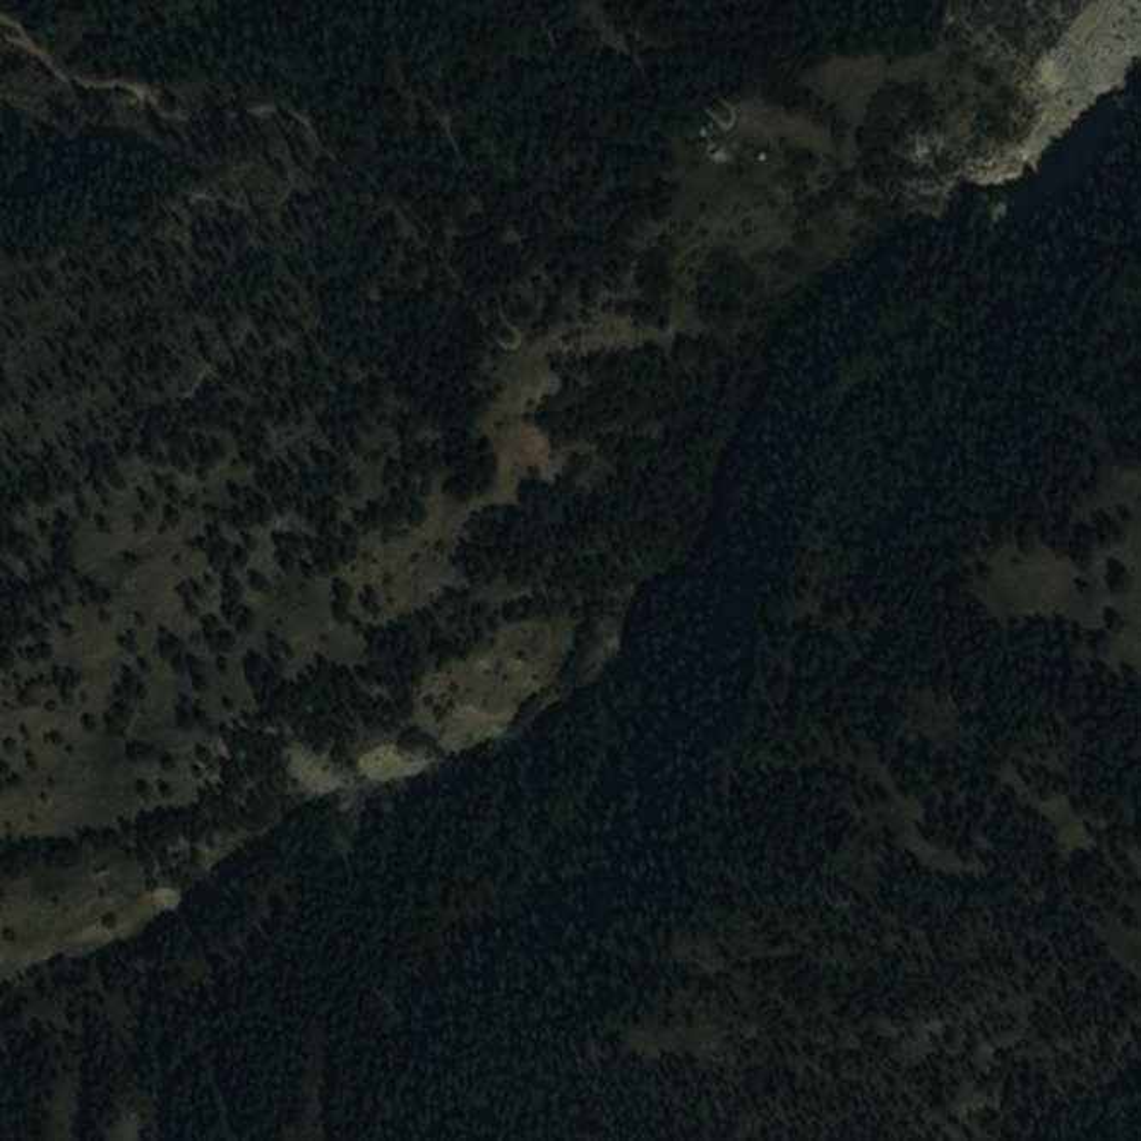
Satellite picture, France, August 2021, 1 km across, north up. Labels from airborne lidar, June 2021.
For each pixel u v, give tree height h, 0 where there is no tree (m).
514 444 0
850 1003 11
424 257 7
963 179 7
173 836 21
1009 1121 6
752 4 18
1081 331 12
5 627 22
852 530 9
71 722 0
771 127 0
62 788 0
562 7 31
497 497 0
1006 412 8
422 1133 24
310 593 0
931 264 29
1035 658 23
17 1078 22
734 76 12
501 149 15
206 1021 13
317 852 15
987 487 22
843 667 28
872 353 22
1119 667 0
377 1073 24
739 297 8
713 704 5
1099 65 0
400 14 8
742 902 20
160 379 23
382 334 14
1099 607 0
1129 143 11
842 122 7
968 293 8
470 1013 21
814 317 10
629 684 17
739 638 19
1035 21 7
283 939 20
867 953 23
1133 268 20
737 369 28
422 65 27
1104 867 21
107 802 0
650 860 30
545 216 7
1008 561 0
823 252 0
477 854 14
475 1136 25
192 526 0
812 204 15
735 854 27
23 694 10
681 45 7
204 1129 27
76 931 0
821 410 6
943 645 29
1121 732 22
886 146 6
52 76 31
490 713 0
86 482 7
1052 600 0
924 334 10
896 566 29
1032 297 7
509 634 0
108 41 8
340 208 6
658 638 20
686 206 0
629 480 32
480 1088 20
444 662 11
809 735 7
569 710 9
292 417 31
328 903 13
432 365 23
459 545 0
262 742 21
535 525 34
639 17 17
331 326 25
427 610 6
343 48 9
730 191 0
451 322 9
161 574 0
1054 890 16
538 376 0
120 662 0
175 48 6
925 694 10
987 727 14
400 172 8
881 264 13
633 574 9
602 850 7
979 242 19
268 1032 19
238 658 0
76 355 24
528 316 7
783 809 18
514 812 11
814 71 9
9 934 12
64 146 32
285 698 28
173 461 10
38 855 27
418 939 22
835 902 12
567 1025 9
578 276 22
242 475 0
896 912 25
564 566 24
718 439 25
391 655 26
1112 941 0
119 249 6
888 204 7
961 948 9
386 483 10
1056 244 35
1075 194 25
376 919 23
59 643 0
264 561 0
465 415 10
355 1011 19
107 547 0
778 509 10
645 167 25
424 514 22
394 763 0
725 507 13
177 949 26
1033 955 20
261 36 9
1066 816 0
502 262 17
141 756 15
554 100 8
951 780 28
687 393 10
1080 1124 20
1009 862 28
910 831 0
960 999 11
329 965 17
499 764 11
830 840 7
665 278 16
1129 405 19
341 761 8
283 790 9
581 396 13
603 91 17
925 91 6
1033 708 32
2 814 0
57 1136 0
